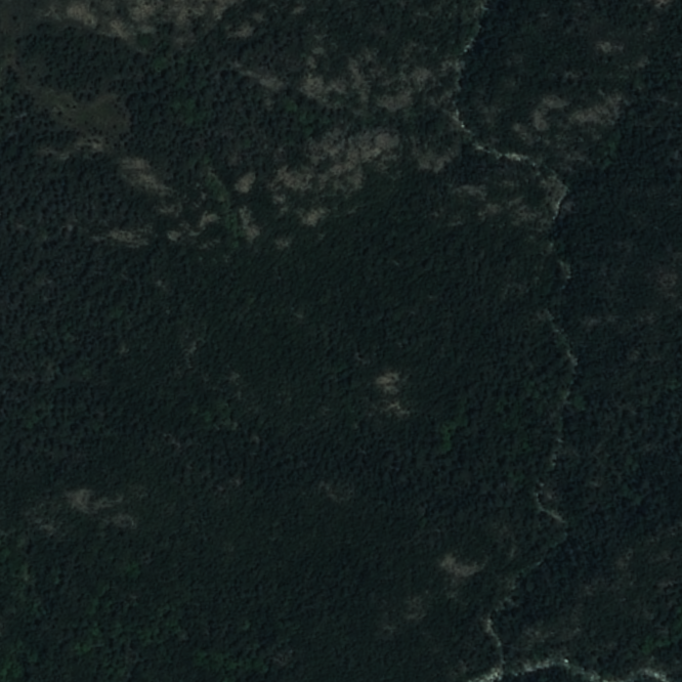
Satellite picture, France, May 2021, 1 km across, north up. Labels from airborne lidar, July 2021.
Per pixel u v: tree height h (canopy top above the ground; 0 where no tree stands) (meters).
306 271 10
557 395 17
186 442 27
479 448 20
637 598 12
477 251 13
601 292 10
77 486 8
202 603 16
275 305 10
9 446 15
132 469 11
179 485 15
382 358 15
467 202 6
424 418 14
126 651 22
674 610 19
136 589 20
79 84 12
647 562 11
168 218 7
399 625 8
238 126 25
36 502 7
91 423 21
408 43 10
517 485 14
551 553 17
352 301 15
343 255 12
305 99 21
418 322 12
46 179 18
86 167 13
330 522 11
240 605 19
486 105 8
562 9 8
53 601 8
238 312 16
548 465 13
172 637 13
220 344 12
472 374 9
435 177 16
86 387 9
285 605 25
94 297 15
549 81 12
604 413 19
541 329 12
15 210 18
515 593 10
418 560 12
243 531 7
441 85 7
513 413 33
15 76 14
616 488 11
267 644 17
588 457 7
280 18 20
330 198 8
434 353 14
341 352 16
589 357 15
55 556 15
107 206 20
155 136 19
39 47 16
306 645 13
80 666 17
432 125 21
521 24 7
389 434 12
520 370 20
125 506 6
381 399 7
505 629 27
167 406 21
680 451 19
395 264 9
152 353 21
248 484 17
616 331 9
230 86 9
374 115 7
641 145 13
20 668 12
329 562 14
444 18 10
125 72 19
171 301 11
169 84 16
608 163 21
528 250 7
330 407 8
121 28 0
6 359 19
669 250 24
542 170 8
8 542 13
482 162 23
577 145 13
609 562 8
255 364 7
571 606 7
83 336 19
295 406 11
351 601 18
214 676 14
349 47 7
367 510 15
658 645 14
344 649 11
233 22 10
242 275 13
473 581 10
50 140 14
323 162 8
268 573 21
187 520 13
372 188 12
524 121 9
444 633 14
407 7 13
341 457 15
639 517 21
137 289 20
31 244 21
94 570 20
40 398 14
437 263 19
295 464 20
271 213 12
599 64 7
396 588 15
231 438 21
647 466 14
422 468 25
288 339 18
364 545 12
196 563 15
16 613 10
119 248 9
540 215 8
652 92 12
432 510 17
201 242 8
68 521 7
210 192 11
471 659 10
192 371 13
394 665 10
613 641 8
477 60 7
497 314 18
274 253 12
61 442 14
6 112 18
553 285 16
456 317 10
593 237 11
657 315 6
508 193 8
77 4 0
